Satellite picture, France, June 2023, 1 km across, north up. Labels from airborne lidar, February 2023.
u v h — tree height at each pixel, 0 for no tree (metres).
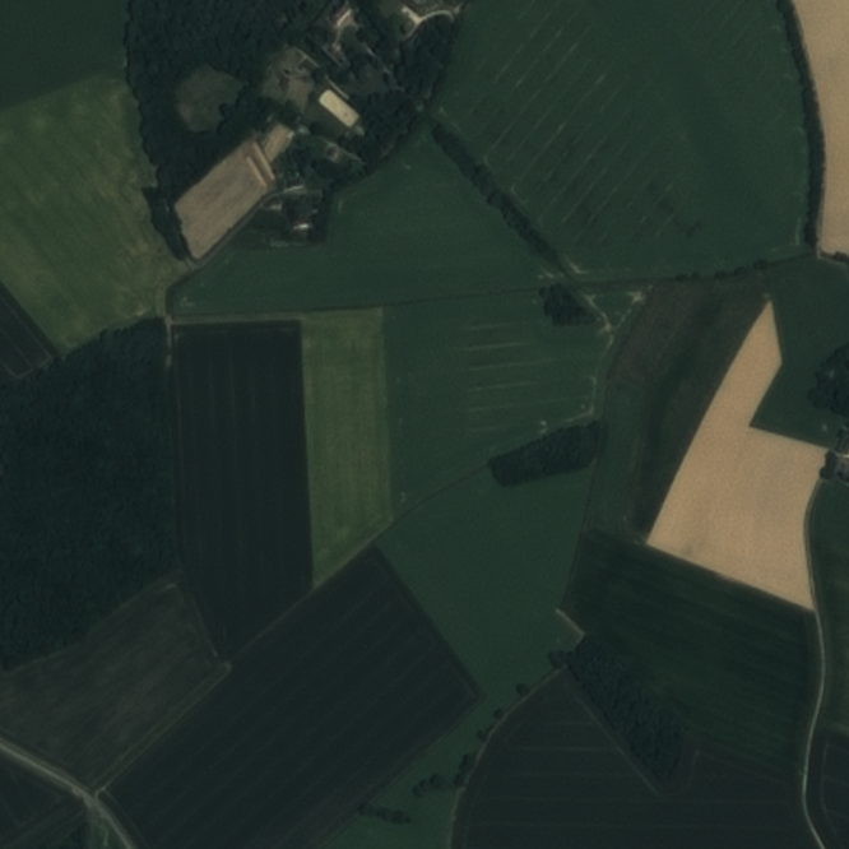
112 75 0
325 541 0
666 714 11
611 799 0
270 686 0
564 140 0
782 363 0
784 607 0
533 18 0
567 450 15
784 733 0
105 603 16
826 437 0
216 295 0
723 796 0
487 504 0
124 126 0
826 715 0
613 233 0
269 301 0
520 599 0
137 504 18
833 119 0
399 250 0
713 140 0
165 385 17
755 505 0
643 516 0
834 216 0
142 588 11
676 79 0
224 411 0
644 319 0
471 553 0
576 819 0
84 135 0
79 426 19
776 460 0
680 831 0
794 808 0
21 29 0
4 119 0
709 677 0
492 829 0
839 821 0
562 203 0
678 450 0
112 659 0
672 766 16
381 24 20
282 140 0
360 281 0
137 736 0
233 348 0
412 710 0
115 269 0
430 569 0
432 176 0
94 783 0
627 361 0
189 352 0
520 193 0
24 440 17
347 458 0
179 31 29
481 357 0
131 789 0
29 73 0
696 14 0
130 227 0
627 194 0
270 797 0
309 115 0
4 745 0
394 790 0
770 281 0
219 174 0
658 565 0
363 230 0
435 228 0
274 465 0
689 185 0
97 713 0
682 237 0
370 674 0
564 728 0
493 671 0
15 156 0
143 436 22
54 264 0
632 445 0
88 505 18
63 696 0
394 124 22
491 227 0
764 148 0
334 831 0
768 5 0
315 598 0
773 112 0
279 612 0
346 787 0
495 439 0
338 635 0
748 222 0
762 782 0
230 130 21
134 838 0
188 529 0
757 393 0
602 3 0
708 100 0
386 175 0
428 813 0
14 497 16
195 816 0
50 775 0
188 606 0
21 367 0
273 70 0
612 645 0
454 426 0
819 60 0
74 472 17
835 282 0
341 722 0
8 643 13
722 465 0
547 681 0
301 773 0
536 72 0
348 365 0
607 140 0
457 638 0
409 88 26
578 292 0
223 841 0
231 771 0
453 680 0
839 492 0
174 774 0
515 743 0
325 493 0
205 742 0
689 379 0
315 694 0
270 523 0
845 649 0
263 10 33
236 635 0
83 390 21
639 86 0
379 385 0
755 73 0
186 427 0
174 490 11
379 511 0
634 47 0
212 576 0
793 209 0
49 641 17
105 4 0
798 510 0
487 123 0
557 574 0
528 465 18
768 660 0
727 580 0
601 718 0
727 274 9
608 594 0
